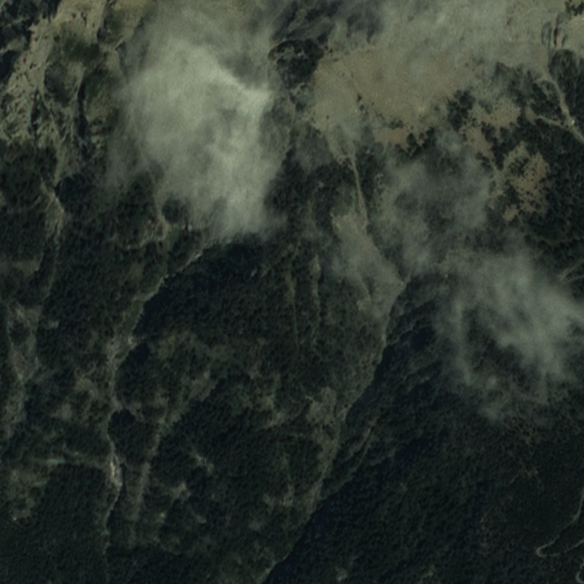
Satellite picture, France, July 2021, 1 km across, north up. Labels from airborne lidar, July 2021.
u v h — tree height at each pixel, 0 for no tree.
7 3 0
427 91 0
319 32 0
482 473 13
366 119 7
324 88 0
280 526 14
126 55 0
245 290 7
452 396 13
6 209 14
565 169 16
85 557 11
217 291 11
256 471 13
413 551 8
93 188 10
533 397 12
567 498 11
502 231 18
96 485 15
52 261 12
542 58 0
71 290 8
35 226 12
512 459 8
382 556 10
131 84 0
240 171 0
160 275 8
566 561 11
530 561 13
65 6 0
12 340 6
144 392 18
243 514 15
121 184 10
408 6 0
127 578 9
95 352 8
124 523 10
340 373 9
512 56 0
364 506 18
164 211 8
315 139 9
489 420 8
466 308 11
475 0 0
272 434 12
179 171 0
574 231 16
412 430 7
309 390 6
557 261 14
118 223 15
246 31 0
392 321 13
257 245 12
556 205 18
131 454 14
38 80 0
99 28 0
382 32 0
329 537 9
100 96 0
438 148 7
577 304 15
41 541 8
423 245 8
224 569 7
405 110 0
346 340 7
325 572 16
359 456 12
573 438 9
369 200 11
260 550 7
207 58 0
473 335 10
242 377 10
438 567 13
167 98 0
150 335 8
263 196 9
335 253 11
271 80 0
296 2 0
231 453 9
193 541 7
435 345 8
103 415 8
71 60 0
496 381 8
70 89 0
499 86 10
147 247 9
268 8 0
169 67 0
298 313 11
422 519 11
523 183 0
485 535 12
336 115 0
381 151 10
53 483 11
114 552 15
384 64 0
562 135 8
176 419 0
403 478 12
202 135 0
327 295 9
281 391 11
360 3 0
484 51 0
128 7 0
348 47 0
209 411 14
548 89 10
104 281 12
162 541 13
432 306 10
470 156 6
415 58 0
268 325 6
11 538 7
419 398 13
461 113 8
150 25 0
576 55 0
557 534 7
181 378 7
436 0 0
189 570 19
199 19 0
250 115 0
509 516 8
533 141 13
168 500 7
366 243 0
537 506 9
